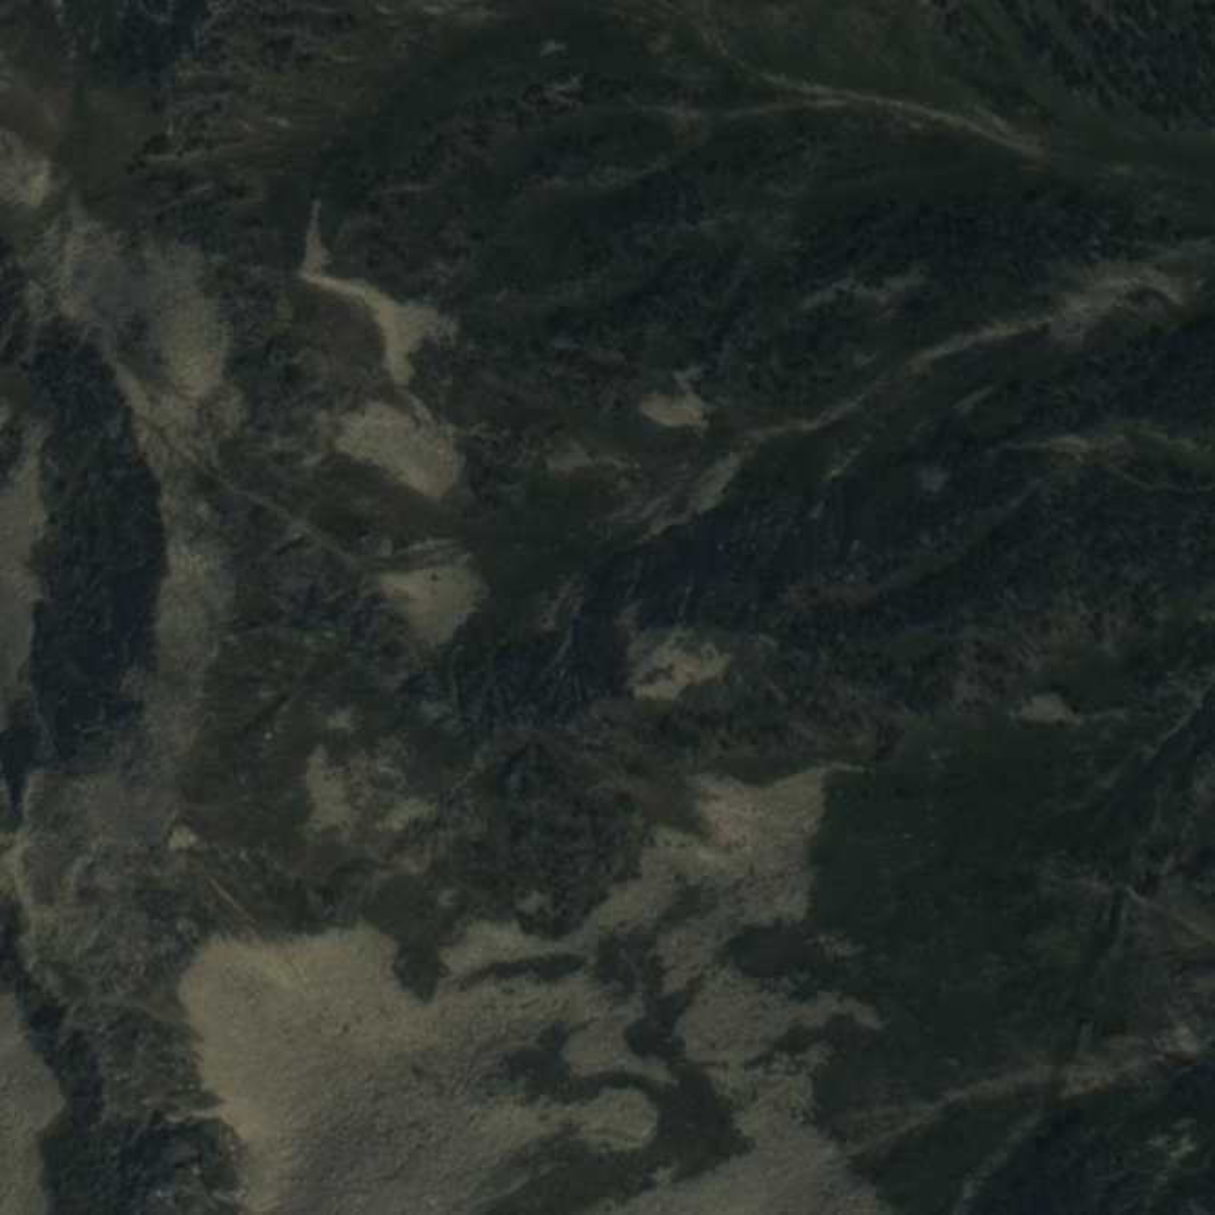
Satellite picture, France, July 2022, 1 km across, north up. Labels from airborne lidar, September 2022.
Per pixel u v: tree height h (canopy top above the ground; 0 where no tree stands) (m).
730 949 0
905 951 0
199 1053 0
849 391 0
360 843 0
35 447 0
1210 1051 0
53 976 0
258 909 0
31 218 0
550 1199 0
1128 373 10
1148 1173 0
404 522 0
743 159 6
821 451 0
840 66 0
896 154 0
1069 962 0
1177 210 0
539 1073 0
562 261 0
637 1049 0
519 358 10
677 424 0
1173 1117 0
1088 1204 10
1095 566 13
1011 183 0
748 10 0
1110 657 0
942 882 0
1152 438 0
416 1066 0
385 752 0
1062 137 0
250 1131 0
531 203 0
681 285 12
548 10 0
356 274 0
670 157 0
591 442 0
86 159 0
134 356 0
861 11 0
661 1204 0
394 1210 0
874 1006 0
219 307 0
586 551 0
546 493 0
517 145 0
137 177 0
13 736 0
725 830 0
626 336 9
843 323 11
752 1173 0
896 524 11
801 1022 0
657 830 0
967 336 0
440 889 0
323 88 0
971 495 8
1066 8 20
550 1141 0
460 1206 0
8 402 0
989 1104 0
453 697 0
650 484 0
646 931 0
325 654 0
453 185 0
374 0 0
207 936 14
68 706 0
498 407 0
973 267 11
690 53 0
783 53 0
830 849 0
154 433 0
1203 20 16
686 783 0
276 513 0
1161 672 7
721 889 0
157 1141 0
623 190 0
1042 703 0
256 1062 0
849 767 0
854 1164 0
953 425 9
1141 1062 0
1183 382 19
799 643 7
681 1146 0
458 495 0
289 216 0
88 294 0
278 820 0
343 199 0
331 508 0
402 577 0
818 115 0
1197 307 0
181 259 0
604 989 0
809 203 0
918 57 0
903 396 0
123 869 0
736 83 0
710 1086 0
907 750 0
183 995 0
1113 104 18
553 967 0
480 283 0
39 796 0
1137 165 0
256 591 0
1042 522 12
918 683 9
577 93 11
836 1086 0
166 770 0
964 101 0
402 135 0
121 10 0
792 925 0
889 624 9
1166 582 8
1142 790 0
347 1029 0
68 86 0
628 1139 0
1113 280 0
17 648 0
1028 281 13
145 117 0
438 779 0
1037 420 7
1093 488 16
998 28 0
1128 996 0
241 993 0
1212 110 12
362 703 0
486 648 0
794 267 0
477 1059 0
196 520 0
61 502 0
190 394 0
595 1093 0
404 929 0
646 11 0
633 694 8
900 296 0
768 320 0
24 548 0
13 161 0
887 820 0
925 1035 0
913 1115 0
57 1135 0
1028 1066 0
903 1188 0
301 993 0
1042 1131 0
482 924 0
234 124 0
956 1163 0
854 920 0
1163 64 10
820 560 7
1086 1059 0
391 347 0
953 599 8
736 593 0
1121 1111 0
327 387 0
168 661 0
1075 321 0
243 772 0
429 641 0
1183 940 0
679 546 0
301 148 0
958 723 0
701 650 0
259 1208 0
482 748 0
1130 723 0
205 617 0
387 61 0
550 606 0
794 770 0
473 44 0
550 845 6
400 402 0
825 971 0
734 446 0
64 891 0
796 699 7
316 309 0
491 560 0
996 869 0
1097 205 10
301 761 0
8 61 0
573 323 12
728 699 0
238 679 0
